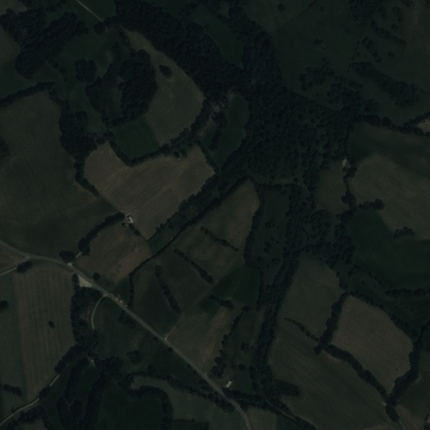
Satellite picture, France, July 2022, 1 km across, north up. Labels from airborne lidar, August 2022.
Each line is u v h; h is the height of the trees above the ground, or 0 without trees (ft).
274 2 0
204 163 0
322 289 0
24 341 0
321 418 0
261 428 0
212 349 0
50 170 0
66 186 0
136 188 0
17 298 0
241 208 0
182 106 0
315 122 37
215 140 50
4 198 0
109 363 55
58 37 97
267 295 47
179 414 0
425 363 0
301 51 0
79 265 0
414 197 0
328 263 23
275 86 72
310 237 46
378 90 0
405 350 0
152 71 74
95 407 70
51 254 0
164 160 0
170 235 0
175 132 0
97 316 0
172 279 0
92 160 0
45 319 0
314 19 0
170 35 67
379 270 0
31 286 0
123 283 0
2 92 0
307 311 0
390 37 24
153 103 0
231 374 0
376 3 27
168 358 0
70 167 0
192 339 0
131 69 53
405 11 0
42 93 0
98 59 0
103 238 0
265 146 42
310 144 39
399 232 56
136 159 41
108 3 0
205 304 0
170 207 0
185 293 0
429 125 0
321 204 0
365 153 0
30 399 0
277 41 0
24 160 0
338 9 0
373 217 0
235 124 0
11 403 0
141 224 0
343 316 0
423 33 0
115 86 0
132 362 26
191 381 0
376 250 0
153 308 0
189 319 0
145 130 0
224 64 92
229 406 55
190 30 24
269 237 0
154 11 58
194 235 0
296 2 0
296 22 0
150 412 0
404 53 0
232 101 0
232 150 0
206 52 54
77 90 0
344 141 35
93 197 0
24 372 0
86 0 0
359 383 0
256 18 0
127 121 28
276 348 0
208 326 0
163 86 0
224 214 0
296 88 0
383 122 39
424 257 0
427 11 0
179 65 54
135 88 47
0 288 0
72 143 85
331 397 0
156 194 0
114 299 0
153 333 0
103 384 71
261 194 29
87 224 0
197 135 65
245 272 0
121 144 0
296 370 0
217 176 55
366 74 29
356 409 0
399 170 0
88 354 29
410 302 0
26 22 67
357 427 0
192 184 0
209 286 0
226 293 0
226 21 66
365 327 0
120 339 0
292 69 0
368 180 0
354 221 0
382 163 0
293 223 51
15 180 0
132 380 55
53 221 0
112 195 0
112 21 60
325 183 0
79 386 0
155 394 65
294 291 0
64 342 0
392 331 0
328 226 48
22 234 0
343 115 24
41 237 0
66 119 67
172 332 0
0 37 0
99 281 0
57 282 0
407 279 0
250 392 0
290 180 0
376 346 0
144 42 0
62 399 58
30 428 0
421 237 0
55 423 0
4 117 0
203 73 47
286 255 52
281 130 22
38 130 0
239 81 96
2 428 0
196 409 0
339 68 0
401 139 0
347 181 23
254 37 37
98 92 61
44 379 0
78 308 49
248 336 0
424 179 0
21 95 51
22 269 49
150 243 0
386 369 0
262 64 113
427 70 0
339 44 0
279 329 0
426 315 0
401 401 0
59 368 52
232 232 0
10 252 0
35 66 86
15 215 0
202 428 0
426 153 0
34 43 47
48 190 0
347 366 0
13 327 0
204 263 0
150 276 0
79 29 53
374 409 0
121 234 0
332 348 52
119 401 0
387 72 0
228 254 0
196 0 76
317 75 29
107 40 0
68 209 0
